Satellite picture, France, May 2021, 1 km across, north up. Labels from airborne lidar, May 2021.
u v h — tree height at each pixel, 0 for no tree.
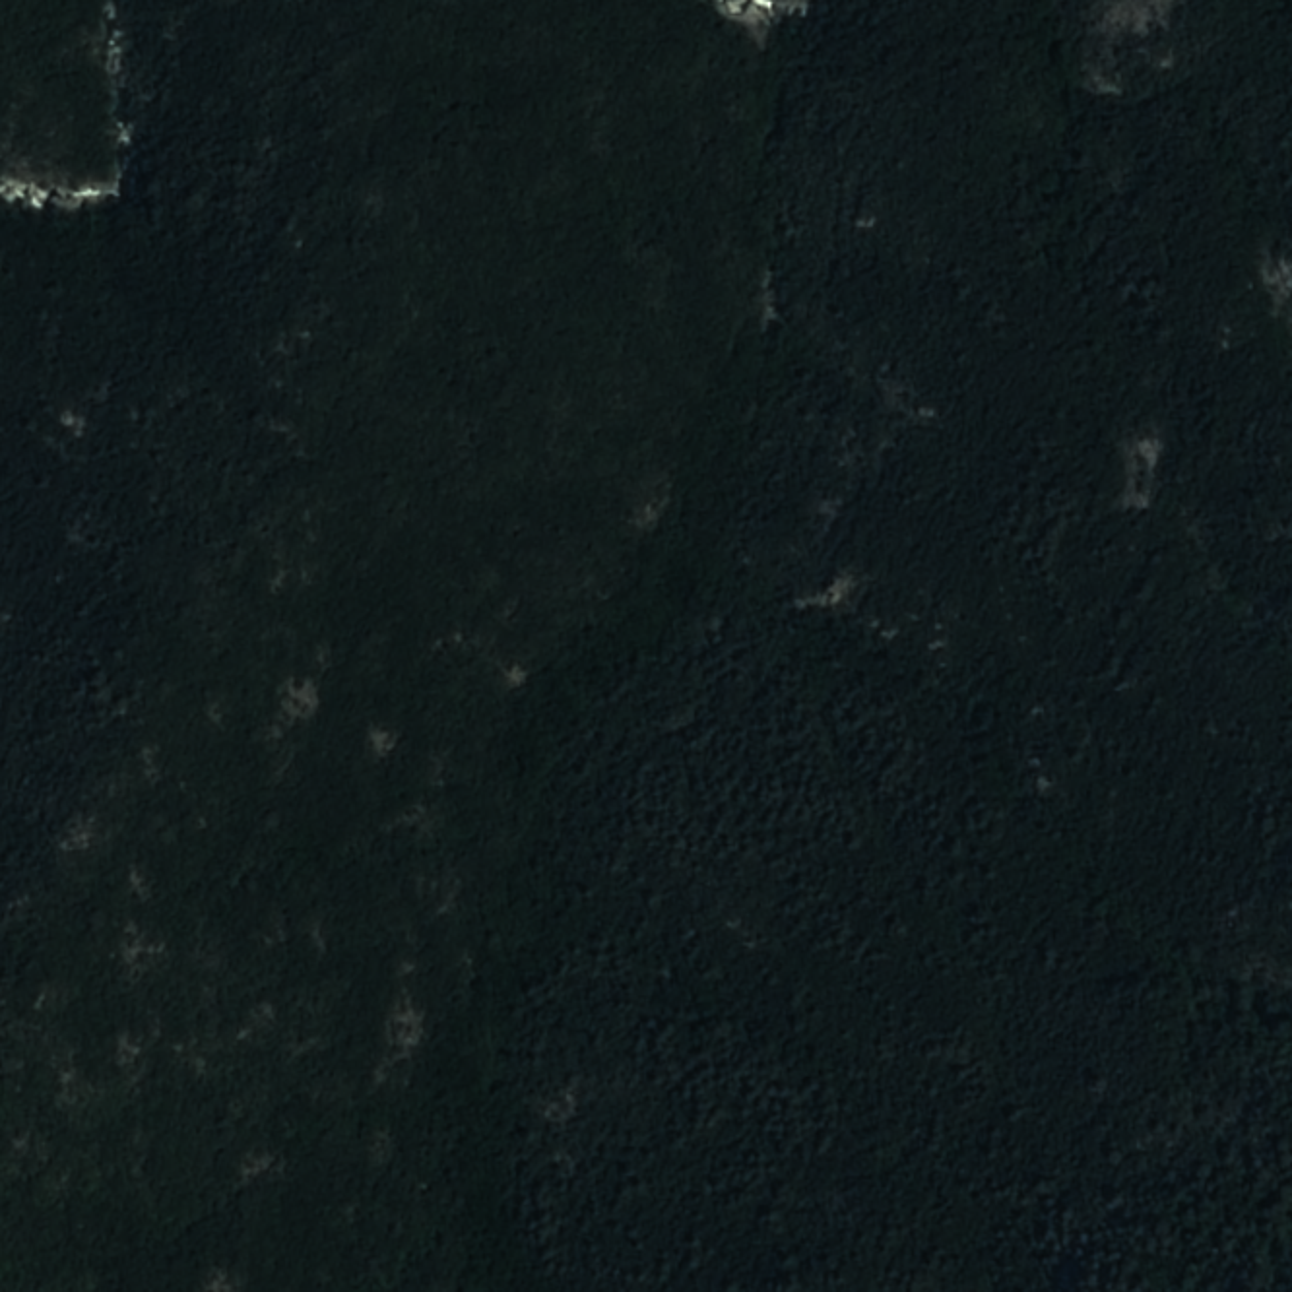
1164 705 9
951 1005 14
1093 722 7
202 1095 10
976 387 6
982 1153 8
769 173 19
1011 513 17
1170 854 10
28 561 10
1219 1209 14
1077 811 8
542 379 12
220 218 13
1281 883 9
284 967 8
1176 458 11
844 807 28
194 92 9
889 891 10
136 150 7
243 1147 13
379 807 9
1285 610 6
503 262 10
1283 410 15
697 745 21
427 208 14
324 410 9
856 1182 10
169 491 8
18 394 7
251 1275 12
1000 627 7
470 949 11
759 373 18
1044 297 11
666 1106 6
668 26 14
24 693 12
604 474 10
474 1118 19
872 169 9
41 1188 11
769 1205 11
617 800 14
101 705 13
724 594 15
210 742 11
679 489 21
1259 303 11
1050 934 10
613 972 18
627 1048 8
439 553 16
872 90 11
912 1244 12
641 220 13
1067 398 12
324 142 10
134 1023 9
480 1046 26
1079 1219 7
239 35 7
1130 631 9
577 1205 12
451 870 10
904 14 14
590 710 18
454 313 13
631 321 10
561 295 17
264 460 17
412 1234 13
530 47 16
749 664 15
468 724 9
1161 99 12
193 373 8
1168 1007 9
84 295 16
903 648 15
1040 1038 8
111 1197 10
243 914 18
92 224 21
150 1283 14
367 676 13
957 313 14
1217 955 9
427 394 14
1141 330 15
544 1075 8
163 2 10
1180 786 10
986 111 12
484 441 15
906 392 5
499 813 12
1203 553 6
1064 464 15
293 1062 7
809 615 17
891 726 23
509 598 13
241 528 12
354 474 11
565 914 22
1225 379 9
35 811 18
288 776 12
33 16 11
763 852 16
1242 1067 12
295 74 6
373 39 11
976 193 13
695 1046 18
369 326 6
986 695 18
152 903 11
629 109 15
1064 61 21
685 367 8
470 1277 18
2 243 15
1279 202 6
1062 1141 12
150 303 13
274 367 8
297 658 7
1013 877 9
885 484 11
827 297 8
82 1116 8
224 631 13
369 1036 9
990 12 15
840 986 10
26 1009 6
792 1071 22
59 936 7
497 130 15
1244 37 10
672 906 13
